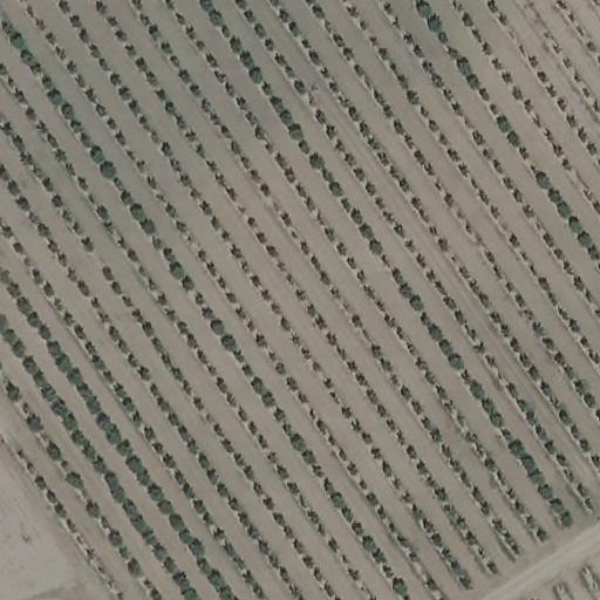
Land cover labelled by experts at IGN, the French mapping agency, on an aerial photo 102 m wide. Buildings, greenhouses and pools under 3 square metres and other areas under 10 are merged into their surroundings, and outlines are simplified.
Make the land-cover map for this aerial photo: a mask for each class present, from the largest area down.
<instances>
[{"label":"herbaceous vegetation","instance_id":"1","mask_svg":"<svg viewBox=\"0 0 600 600\"><path fill-rule=\"evenodd\" d=\"M251 5V12L265 26V33L258 38L234 0H213L216 9L227 21L234 38L241 40L244 49L251 52L255 66L263 70V75L253 82L241 59L232 52L230 40H225L223 30L211 23L199 0H0V110L2 115H7L9 124L23 138L26 150L40 162V166L54 183L49 190H45L42 180H38L30 173V166L21 162L14 143L0 131V265L19 284L21 293L28 298L38 316L47 323V328L52 330L54 340L61 345L70 363L82 373L84 382L98 398L103 413L120 429L122 438L129 441L134 455L143 462L150 478L162 488L164 497L183 518L190 534L202 541L209 565L223 574L225 584L230 586L237 600H251L253 591L246 586V581L237 574L230 558L223 553L225 544H232L234 551L244 558L251 574L263 586L267 600H288L291 593L281 581L279 572L270 567L265 555L258 551V544L246 534L244 525L239 523V516L209 483L206 473L199 466V459L190 455L180 434L169 424V417L159 410L157 401L150 394L157 387L162 389L164 398L173 405L176 415L183 420L188 431L195 436L197 445L206 452L216 473L223 478L230 492L244 504L246 513L251 516L270 548L286 565L291 579H295V586L300 588L305 600H321L326 593L319 588L314 574L302 563L300 553H295L293 541H288L284 530L274 523V513H284V518L295 530L298 539L305 544L314 563H319L321 572L328 577L340 600H389L394 591L391 581L384 577L382 567L373 560V555L363 551L345 516L330 504L328 495L323 492V480L312 473L309 464L291 445L288 436L274 420L277 410L286 413L291 427L295 429V434L305 438L323 473H328V480L345 497L356 520L363 525V530L373 537V541L389 560V567L396 572L398 579L405 581L408 600H504L497 593V586L520 574L525 567L539 563L541 558L551 555L558 546L567 544L586 527L600 523V270L595 260H591L588 251L579 244L577 234L570 230V223L558 213L555 204L548 199V192L537 185L534 173L544 171L548 176L553 188L570 204V209L581 220L584 230L591 234L600 251V0H427L448 33L445 42H438L427 19L420 16L415 2L410 0H246ZM2 21H12L14 28L23 35L28 49L42 63L38 73H33L21 61L19 49L2 33ZM84 28L94 38L108 63L115 66L117 75L122 77L120 82H110L113 75L108 70H101L89 47L80 40V30ZM162 42L171 45L183 68L199 84V94L192 96L190 87H185V82L178 77V70L171 66V61L162 56ZM452 47L469 59L480 84L490 91L488 98H480L478 91L469 87L457 63L448 56V49ZM391 63H398L401 73L410 80L413 91L417 94V103H408L398 80L389 68ZM42 77L54 80L56 89L73 105L77 120L84 124L91 141L115 164V173H110L108 178L101 173L98 164L91 159V152L82 145L80 136L66 122L61 108L52 105L42 87ZM267 82L272 84L274 94L284 101V105L291 110L293 120L302 127V134L309 143L305 152L298 148L295 138L288 134L286 124L265 96L263 84ZM159 89H164L171 96L173 105L183 113L188 122L183 129H178L176 120L164 110L162 101L157 98ZM345 96L366 117V124L370 127L375 138L384 145L387 155L408 178V190H401V185L389 176V169L380 164L375 150H370L366 138L361 136L359 124L338 103ZM206 98L211 108L220 115V120L230 127V131L234 134L237 143L248 155L253 166L258 169L260 176L255 180H251L241 162L232 155L227 138L220 136V129H216L213 122L202 113V101ZM239 98H246L251 110L258 115L265 129L263 138H255L253 127L237 105ZM134 101H138L150 124L159 131V136H164V141L176 152V159H180V164L185 166L188 176L192 178L188 185L180 183L176 171L169 166L162 148L152 143V138L143 131L141 122L129 110V103ZM495 103L502 108L504 117L520 136L516 145H511L506 136L499 131L497 117L490 113V105ZM424 105L429 108V113L434 115V120L438 122V127H443V131H445V136H448V143H443V145H441V143H438V138H441V136H438L436 131H429V122H427V117H422V115H420V108H424ZM28 108L35 110V115L52 129V134L61 143V150L75 166L70 176L54 157L52 145L40 138L38 129L30 127L26 117ZM312 155H321L328 171L342 185L340 195H333L328 190V183L321 178L319 169L309 164ZM209 162H216L227 183L237 190L234 199H230L227 192L220 190V185L209 171ZM471 180H478L488 197L495 199L499 216H492L490 206H485V202L478 199V195L471 190ZM368 183L375 185L389 211L398 218V223L405 230L403 234H396L394 227L380 216V209L366 192ZM127 190L155 223V232H143L138 220L131 216L129 206L122 204V192ZM59 195L94 241L91 251H87L82 246V239L73 230H68L66 220L52 204V199ZM157 195H166L171 199L183 223L188 225L185 232L176 230L173 218H169L162 202H157ZM354 209H359L366 223L373 227L377 241L382 244V251H370L366 237L352 220ZM42 223L52 230L56 244L68 255L63 265L47 248V239L40 237L38 225ZM164 248H171L176 253V260L190 274V291H185L183 284L171 274L169 263L164 258ZM459 267H466L478 281V286L488 293L490 302L485 307L471 293L469 284L459 277ZM394 270H401L410 288L422 298L427 314L450 340L452 349L462 356L473 380L480 382L483 391L504 417V424L495 427L490 422L483 405L464 384L462 373L448 363L441 347L422 326L420 314L401 295L391 277ZM359 272H366L370 286L389 307V314L403 326V338H398L396 330H391L384 323L382 312L366 298V293L361 291ZM431 277H438L443 281L450 298H455L466 321L476 328V338H469L466 330L455 321V314L445 307L438 291L429 284ZM541 277L548 279L563 307L577 319L579 330H570V323L558 316V309L539 288ZM47 284H52L63 307H68L73 319L84 328V335L77 338L73 328L56 319L54 309L45 300ZM516 295L525 298L530 309L537 314V321L555 342L553 347H544V342L537 340L527 319L518 314ZM122 298H131L136 307L145 314V319L152 323L157 338L164 342L176 366L190 380L192 389L188 394H183L180 384L166 370L152 342L136 323L129 307H124ZM209 307L225 323L227 333L244 352L241 361H237L223 347L220 338L211 330V323L202 316V309ZM169 309H176V314L195 333L204 354L220 370L234 398L241 403L246 415L253 417V422L267 438L265 448H260L258 438L251 436L248 424L239 422V413L232 405H227V398L218 391L206 368L197 361V352L188 347V340L178 333V326H173L164 316ZM495 312L504 316L525 354L534 361L539 370L534 380L520 366V356L511 349V340L502 335V326H497L490 319V314ZM110 328H117L122 333L127 345L134 349L136 359L150 370L145 380L138 377V373L127 363V356L110 340ZM328 335H335L347 349V354L356 361L354 370H349L342 363V359L333 352V347L326 342ZM89 342H94L98 356L110 368V382H103V377L91 366V359L84 349ZM555 354H563L570 361V366L579 373V377L588 384L595 398L593 405H586L577 389L567 382L563 368L553 361ZM417 359H424L431 366V373L441 380V384L452 398V410H443L438 405L436 389L427 384L422 370L415 366ZM361 373L373 384L375 394L391 413L396 424L403 429L405 438L415 445L413 457H408V452L398 445L396 436L387 429L377 410L368 403L363 387L356 382V375ZM541 382H548L555 396L565 403L570 417L577 422L584 438H588V450H581L579 443L572 438V429L560 422L558 413L551 408L546 394L541 391ZM117 384H122L136 403L141 413L138 424H134L117 403ZM523 398L534 408L537 420L541 422L555 448H560V452L572 464V471L588 488L593 509H579L577 502L567 495V478L563 464H558V459L544 450V443L539 441L534 427L527 422L525 413L518 405V401ZM427 417L436 424L445 443L452 448L455 457L466 469L469 478L480 488V492L490 502L488 516L480 513V506L473 502V495L462 485L459 476L450 469L438 445L424 431L422 420ZM216 424L223 427L232 445L251 464L253 473L265 488L260 495L253 492L251 480L234 464V457H230V452L223 450V443L213 434ZM471 431L478 434L483 445L492 452L495 464L502 466L504 476L520 495L525 509H530L534 520L546 530L544 541L539 537L532 539L527 534V527L518 523L516 513L506 506V499L490 485L488 469L478 462L473 443H466V434ZM502 431H511L523 443L527 455H532L537 469L544 473L553 495L570 511V527H563L560 518L541 499L534 483L527 478L523 462L511 455ZM420 462L429 466L431 476L441 483V488H445L448 497L452 499V506L471 525L476 544H466L457 537L445 511L441 509V502L417 473ZM180 471L192 485V490L199 495V499L206 504L213 518L209 525H204L202 516L195 511V504L178 488L176 473ZM415 506H420L429 516V520L436 525L438 534L443 537L457 563L469 572V588L459 586L450 567L436 553V546L427 537L422 523L413 520ZM495 520H502L504 527H509V532L516 537L520 546L516 560H509L502 553L492 527ZM391 523H396L403 537H408L417 546V555L427 563L431 577L438 584L436 588H427L410 574V551L387 539V530ZM0 314L7 319L9 328H14L26 352L35 359L54 391L66 401L68 410L75 415L80 424V431L89 438V443L103 457L110 471H115L127 497L136 504L138 513L150 525L162 546L169 551L178 570L185 572L199 600H216L218 591L199 572L192 551L180 541L178 532L159 511L150 492L138 483L136 473L127 466V459L105 438L103 429L96 424V417L89 413L75 384L59 370L45 340L19 312L16 300L0 281ZM52 490L75 520V532L68 530L66 520L56 516L52 502L47 499V492ZM115 530L122 534V541L141 565V572L136 577L129 574V565L120 558L117 548L108 539ZM180 588L176 586V581L155 558V551L136 532L124 509L110 495L105 478L82 455V448L73 443L68 429L63 427V420L45 401L35 380L23 368L21 359L0 335V600H178Z\"/></svg>","mask_w":600,"mask_h":600},{"label":"deciduous trees","instance_id":"2","mask_svg":"<svg viewBox=\"0 0 600 600\"><path fill-rule=\"evenodd\" d=\"M211 23L223 30L225 40H230L232 52L241 59L253 82L263 75V70L255 66L251 52L244 49L241 40L234 38L227 21L216 9L213 0H199ZM258 38L265 33V26L251 12V5L246 0H234ZM415 2L420 16L427 19L438 42H445L448 33L427 0H410ZM2 33L19 49L21 61L33 73H38L42 63L28 49L23 35L14 28L12 21H2ZM80 40L89 47L101 70H108L113 75L110 82H120L122 77L117 75L115 66L108 63L94 38L84 28L80 30ZM162 56L171 61V66L178 70V77L185 82V87H190L192 96L199 94V84L183 68L171 45L162 42ZM448 56L457 63L469 87L478 91L480 98H488L490 91L480 84L469 59L452 47L448 49ZM389 68L398 80L408 103H417V94L413 91L410 80L401 73L398 63H391ZM42 87L52 105L61 108L66 122L80 136L82 145L91 152V159L98 164L101 173L108 178L110 173H115V164L91 141L84 124L77 120L73 105L56 89L54 80L42 77ZM265 96L286 124L288 134L295 138L298 148L305 152L309 143L302 134V127L293 120L291 110L284 105V101L274 94L272 84L267 82L263 84ZM157 98L162 101L164 110L176 120L178 129H183L188 122L183 113L173 105L171 96L164 89H159ZM338 103L359 124L361 136L366 138L370 150H375L380 164L389 169V176L401 185V190H408V178L387 155L384 145L375 138L370 127L366 124V117L345 96ZM202 113L213 122L216 129H220V136L227 138L232 155L241 162L251 180H255L260 176L258 169L253 166L248 155L237 143L234 134L230 131V127L220 120V115L211 108L206 98L202 101ZM237 105L253 127L255 138H263L265 129L258 115L251 110L246 98H239ZM129 110L141 122L143 131L152 138V143L162 148L169 166L176 171L180 183L188 185L192 178L188 176L185 166L180 164V159H176V152L164 141V136H159V131L150 124L138 101H134L129 103ZM490 113L497 117L499 131L506 136L511 145H516L520 136L504 117L502 108L495 103L490 105ZM420 115H422V117H427V122H429V131H436L438 136H441V138H438V143H441V145H443V143H448V136H445V131H443V127H438V122L434 120V115L429 113V108L424 105V108H420ZM26 117L30 127L38 129L40 138L52 145L54 157L70 176L75 166L61 150V143L52 134V129L35 115V110L28 108ZM0 131L14 143L21 162L30 166V173L38 180H42L45 190H49L54 183L40 166V162L26 150L23 138L9 124L7 115H2L0 110ZM309 164L319 169L321 178L328 183V190L333 195H340L342 185L328 171L321 155H312ZM209 171L220 185V190L227 192L230 199H234L237 190L227 183L216 162H209ZM537 185L548 192V199L555 204L558 213L570 223V230L577 234L579 244L588 251L591 260H595L600 270V251L591 234L584 230L581 220L570 209V204L553 188L548 176L544 171L534 173ZM471 190L478 195V199L485 202V206H490L492 216H499L495 199L488 197L478 180H471ZM366 192L380 209V216L394 227L396 234H403L405 230L398 223V218L389 211L375 185L368 183ZM122 204L129 206L131 216L138 220L143 232H155V223L127 190L122 192ZM52 204L66 220L68 230H73L82 239V246L87 251H91L94 241L59 195L52 199ZM157 202H162L169 218H173L176 230L185 232L188 225L183 223L171 199L166 195H157ZM352 220L366 237L370 251H382V244L377 241L373 227L366 223L359 209H354ZM40 237L47 239V248L63 265L68 255L56 244L52 230L42 223L38 225ZM164 258L169 263L171 274L183 284L185 291H190V274L176 260V253L171 248H164ZM0 281L16 300L19 312L45 340L59 370L75 384L89 413L96 417V424L103 429L105 438L127 459V466L136 473L138 483L150 492L159 511L178 532L180 541L192 551L199 572L218 591L216 600H237L230 586L225 584L223 574L209 565L202 541L190 534L183 518L164 497L162 488L150 478L143 462L134 455L129 441L122 438L120 429L103 413L98 398L84 382L82 373L70 363L61 345L54 340L52 330L47 328V323L38 316L28 298L21 293L19 284L0 265ZM459 277L469 284L471 293L485 307L490 302L488 293L478 286V281L466 267H459ZM391 277L401 295L420 314L422 326L441 347L448 363L462 373L464 384L483 405L490 422L495 427L504 424V417L483 391L480 382L473 380L462 356L452 349L450 340L427 314L422 298L410 288L401 270H394ZM361 291L366 293V298L382 312L384 323L391 330H396L398 338H403V326L389 314V307L370 286L366 272H359ZM429 284L438 291L445 307L455 314V321L466 330L469 338H476V328L466 321L455 298H450L443 281L438 277H431ZM539 288L558 309V316L570 323V330H579L577 319L563 307L548 279L541 277ZM45 300L54 309L56 319L73 328L77 338L84 335V328L73 319L68 307H63L52 284H47ZM518 314L527 319L537 340L544 342V347H553L555 342L537 321V314L530 309L525 298L516 295ZM124 307H129L136 323L152 342L166 370L180 384L183 394H188L192 389L190 380L176 366L164 342L157 338L152 323L145 319V314L136 307L131 298H122ZM202 316L211 323V330L220 338L223 347L237 361H241L244 352L227 333L225 323L209 307L202 309ZM164 316L173 326H178V333L188 340V347L197 352V361L206 368L218 391L227 398V405H232L239 413V422L248 424L251 436L258 438L260 448H265L267 438L253 422V417L246 415L241 403L234 398L220 370L204 354L195 333L176 314V309H169ZM490 319L497 326H502V335L511 340V349L520 356V366L534 380L539 370L534 361L525 354L504 316L495 312L490 314ZM0 335L21 359L23 368L35 380L45 401L63 420V427L68 429L73 443L82 448V455L105 478L110 495L124 509L136 532L155 551V558L176 581V586L180 588L178 600H199L185 572L178 570L169 551L162 546L150 525L138 513L136 504L127 497L115 471H110L103 457L89 443V438L80 431V424L75 415L68 410L66 401L54 391L35 359L26 352L14 328H9L7 319L0 314ZM110 340L127 356V363L138 373V377L145 380L150 370L136 359L134 349L127 345L122 333L117 328H110ZM326 342L333 347V352L342 359V363L349 370H354L356 361L347 354V349L335 335H328ZM84 349L91 359V366L103 377V382H110V368L98 356L94 342H89ZM553 361L563 368L567 382L577 389L586 405H593L595 398L588 384L579 377V373L570 366V361L563 354H555ZM415 366L422 370L427 384L436 389L438 405L443 410H452V398L441 384V380L431 373V366L424 359H417ZM356 382L363 387L368 403L377 410L387 429L396 436L398 445L408 452V457H413L415 445L405 438L403 429L396 424L391 413L375 394L373 384L361 373L356 375ZM541 391L546 394L551 408L558 413L560 422L572 429V438L579 443L581 450H588V438H584L577 422L570 417L565 403L555 396L548 382H541ZM117 403L134 424H138L141 413L136 403L122 384H117ZM150 394L157 401L159 410L169 417V424L180 434L190 455L199 459V466L206 473L209 483L239 516V523L244 525L246 534L258 544V551L265 555L270 567L279 572L281 581L291 593L288 600H305L300 588L295 586V579H291L286 565L270 548L251 516L246 513L244 504L230 492L223 478L216 473L206 452L197 445L195 436L188 431L183 420L176 415L173 405L164 398L162 389L157 387ZM518 405L525 413L527 422L534 427L539 441L544 443V450L558 459V464H563L567 478V495L577 502L579 509H593L588 488L572 471V464L560 452V448H555L541 422L537 420L534 408L523 398L518 401ZM274 420L288 436L291 445L309 464L312 473L323 480V492L328 495L330 504L345 516L363 551L373 555V560L382 567L384 577L391 581L394 591L389 600H408L405 581L398 579L396 572L389 567V560L373 541V537L363 530V525L356 520L345 497L328 480V473H323L305 438L295 434V429L291 427L286 413L277 410ZM424 431L438 445L450 469L459 476L462 485L473 495V502L480 506V513L488 516L490 502L480 492V488L469 478L466 469L455 457L452 448L445 443L436 424L427 417L422 420ZM213 434L223 443V450L230 452V457H234V464L251 480L253 492L260 495L265 488L253 473L251 464L232 445L223 427L216 424ZM466 443H473L478 462L488 469L490 485L506 499V506L516 513L518 523L527 527V534L532 539L539 537L544 541L546 530L534 520L530 509H525L520 495L504 476L502 466L495 464L492 452L483 445L478 434L471 431L466 434ZM511 455L523 462L527 478L534 483L541 499L560 518L563 527H570V511L553 495L544 473L537 469L532 455H527L523 443L511 431H502ZM417 473L441 502V509L445 511L457 537L466 544H476L471 525L452 506V499L448 497L445 488H441V483L431 476L429 466L420 462ZM178 488L195 504V511L202 516L204 525H209L213 518L206 504L199 499V495L192 490V485L180 471L176 473ZM47 499L52 502L56 516L66 520L68 530L75 532V520L52 490L47 492ZM413 520L422 523L427 537L436 546V553L450 567L459 586L469 588V572L457 563L443 537L438 534L436 525L429 520V516L420 506H415ZM274 523L284 530L288 541H293L295 553H300L302 563L314 574L319 588L326 593L321 600H340L328 577L321 572L319 563H314L305 544L298 539L295 530L284 518V513H274ZM492 527L502 553L509 560H516L520 546L516 537L509 532V527H504L502 520H495ZM387 539L410 551V574L427 588H436L438 584L431 577L427 563L417 555V546L408 537H403L396 523H391L387 530ZM108 539L117 548L120 558L129 565V574L136 577L141 572V565L122 541V534L115 530ZM223 553L230 558L237 574L246 581V586L253 591L251 600H267L263 586L251 574L244 558L234 551L232 544H225Z\"/></svg>","mask_w":600,"mask_h":600},{"label":"pervious surface","instance_id":"3","mask_svg":"<svg viewBox=\"0 0 600 600\"><path fill-rule=\"evenodd\" d=\"M591 551H600V523L586 527L567 544L558 546L551 555L541 558L539 563L525 567L520 574L497 586V593L504 600H525L544 579H553L567 565H574L579 570V565Z\"/></svg>","mask_w":600,"mask_h":600},{"label":"agricultural land","instance_id":"4","mask_svg":"<svg viewBox=\"0 0 600 600\"><path fill-rule=\"evenodd\" d=\"M525 600H600V551H591L579 565V570L574 565H567L553 579H544Z\"/></svg>","mask_w":600,"mask_h":600}]
</instances>
